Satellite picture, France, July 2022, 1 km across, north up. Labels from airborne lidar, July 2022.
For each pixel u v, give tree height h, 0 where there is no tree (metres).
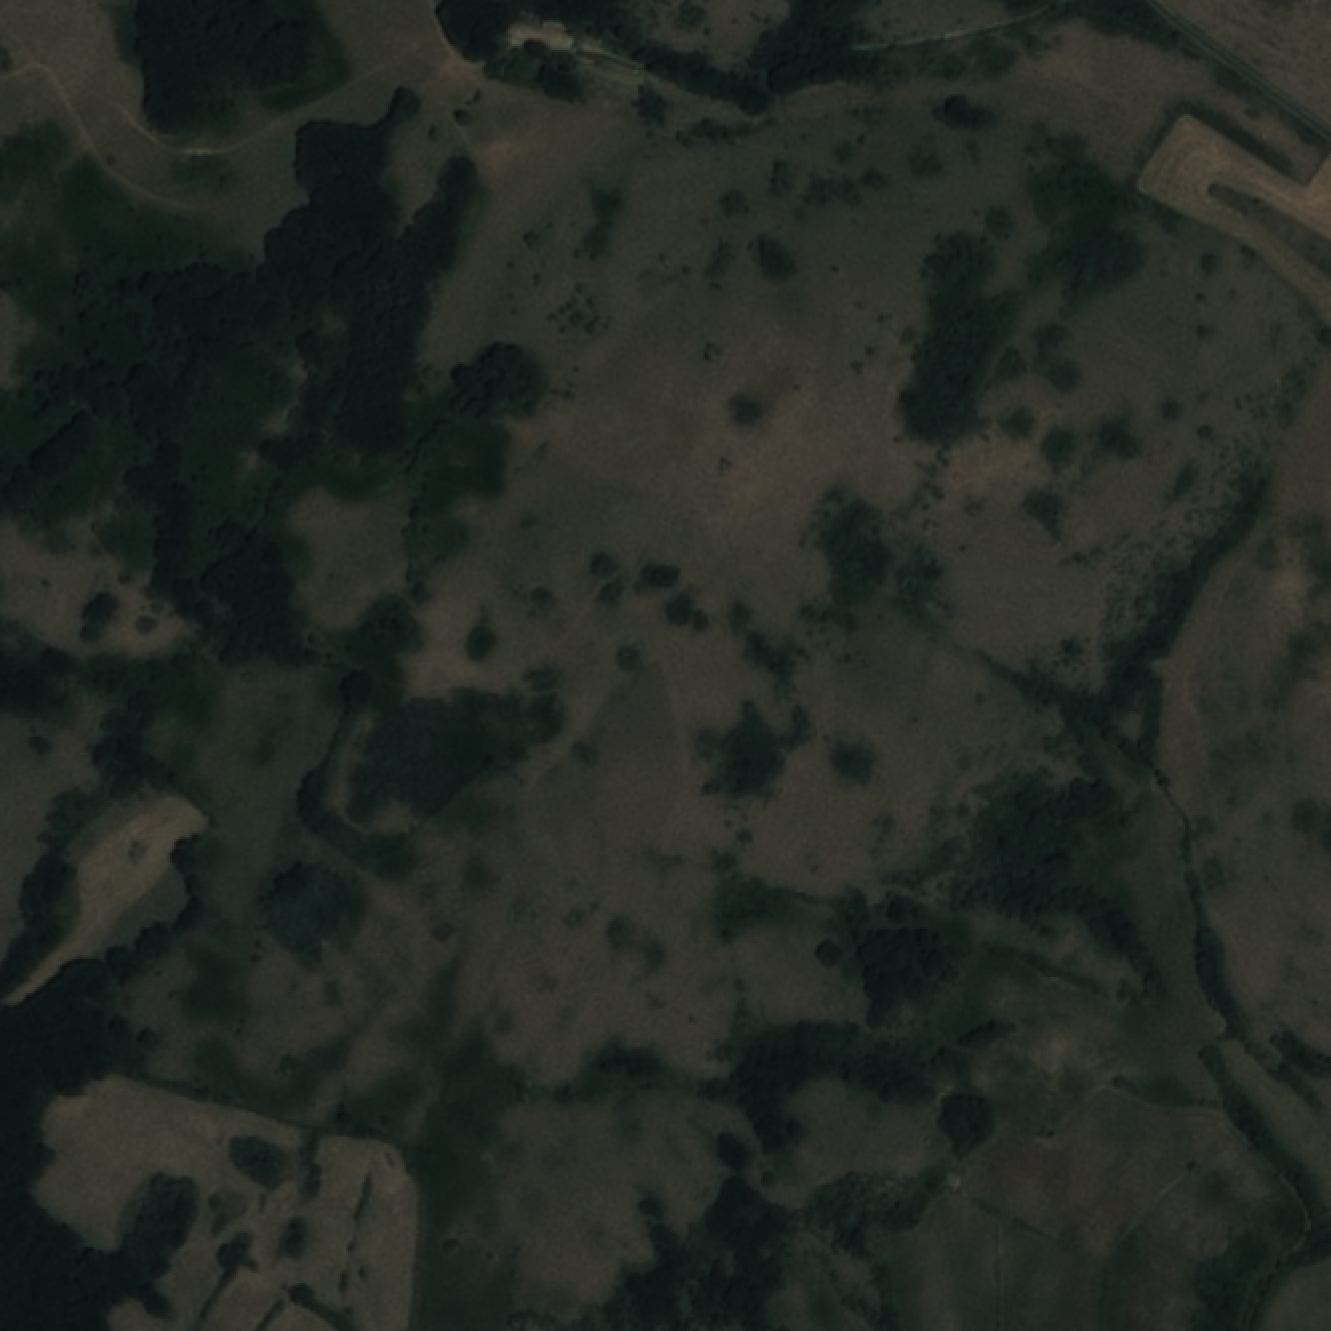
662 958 0
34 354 0
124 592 0
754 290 0
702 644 0
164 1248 7
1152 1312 0
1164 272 0
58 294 0
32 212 0
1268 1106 0
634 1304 7
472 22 22
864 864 0
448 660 0
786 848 0
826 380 0
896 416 0
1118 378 0
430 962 0
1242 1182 0
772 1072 13
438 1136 0
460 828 0
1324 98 0
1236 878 0
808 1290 0
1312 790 0
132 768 8
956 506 0
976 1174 0
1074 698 8
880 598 0
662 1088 0
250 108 0
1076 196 6
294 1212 0
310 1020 0
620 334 0
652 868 0
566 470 0
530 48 12
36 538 0
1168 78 0
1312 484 0
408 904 0
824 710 0
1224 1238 0
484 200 0
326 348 8
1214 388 0
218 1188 0
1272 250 0
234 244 0
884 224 0
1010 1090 0
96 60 0
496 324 0
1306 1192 15
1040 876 16
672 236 0
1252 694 0
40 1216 17
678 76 19
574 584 0
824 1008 0
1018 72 0
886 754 0
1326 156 0
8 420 0
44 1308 17
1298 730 0
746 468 0
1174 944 0
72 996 17
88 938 0
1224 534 7
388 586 0
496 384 11
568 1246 0
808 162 0
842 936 0
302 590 0
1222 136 0
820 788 0
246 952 0
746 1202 13
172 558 13
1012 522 0
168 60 18
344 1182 0
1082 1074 0
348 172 12
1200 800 0
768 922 0
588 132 0
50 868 10
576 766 0
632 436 0
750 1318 10
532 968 0
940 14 0
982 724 0
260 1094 0
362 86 0
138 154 0
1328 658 0
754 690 0
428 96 0
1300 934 0
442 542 0
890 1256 0
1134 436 0
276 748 0
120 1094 0
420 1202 0
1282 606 0
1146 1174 0
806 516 0
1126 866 0
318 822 10
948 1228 0
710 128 7
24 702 12
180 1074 0
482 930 0
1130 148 0
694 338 0
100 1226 0
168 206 0
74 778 0
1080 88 0
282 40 19
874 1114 0
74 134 0
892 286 0
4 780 0
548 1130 0
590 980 0
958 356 7
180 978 0
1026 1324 0
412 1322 0
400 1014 0
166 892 0
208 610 10
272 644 14
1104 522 0
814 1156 0
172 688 8
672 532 0
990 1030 11
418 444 7
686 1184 0
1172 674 0
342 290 15
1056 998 0
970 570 0
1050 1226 0
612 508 0
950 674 0
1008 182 0
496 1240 0
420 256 18
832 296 0
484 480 0
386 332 18
